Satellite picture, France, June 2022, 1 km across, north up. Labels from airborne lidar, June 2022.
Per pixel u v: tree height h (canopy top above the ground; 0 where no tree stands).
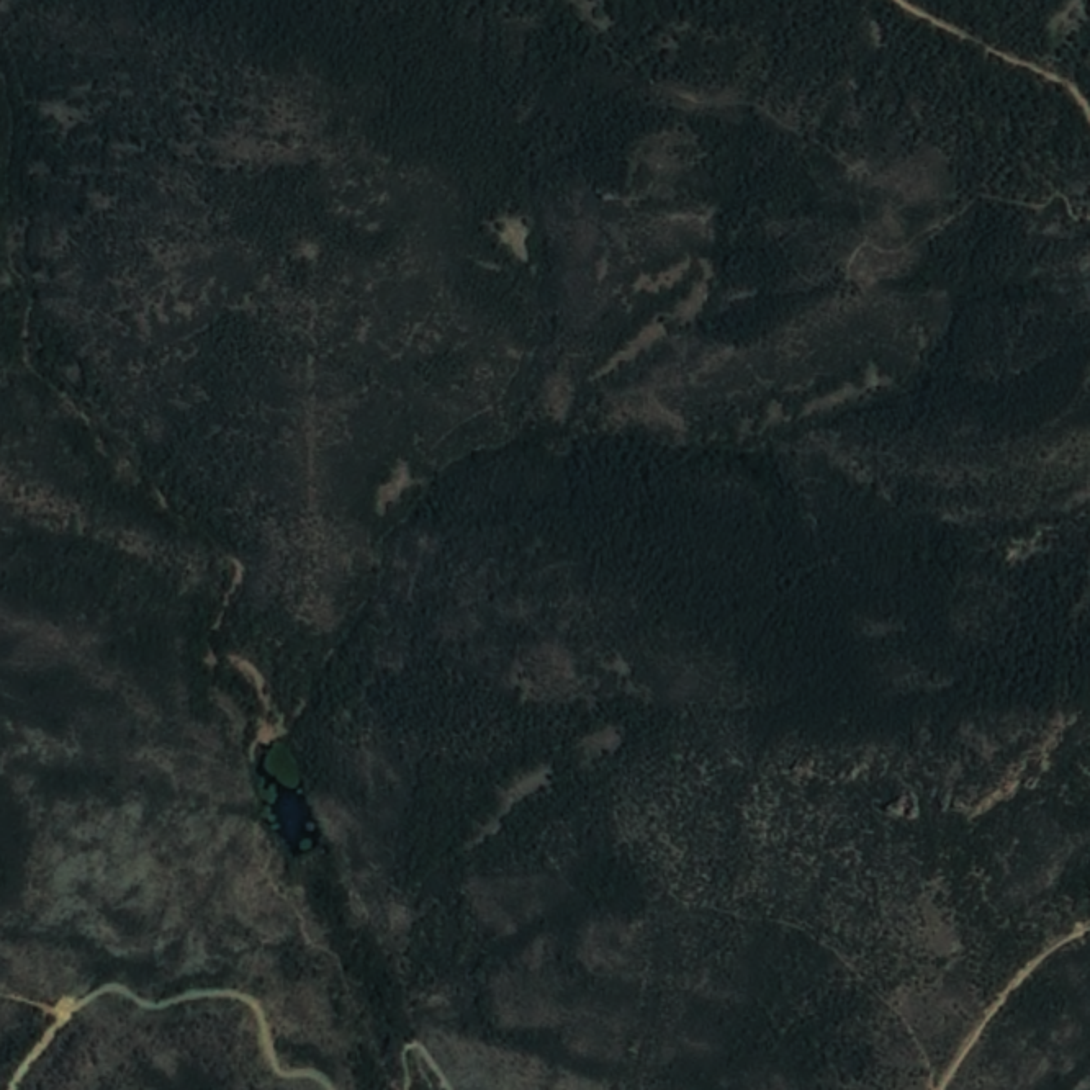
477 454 11
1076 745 6
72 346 6
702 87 10
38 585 9
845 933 7
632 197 8
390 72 13
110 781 11
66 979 0
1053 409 15
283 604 5
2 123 6
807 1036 7
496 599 7
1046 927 7
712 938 10
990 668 12
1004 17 7
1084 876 7
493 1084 0
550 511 15
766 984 6
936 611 12
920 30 11
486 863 7
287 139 6
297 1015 0
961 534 11
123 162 6
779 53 12
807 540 12
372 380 9
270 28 7
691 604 11
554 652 0
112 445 12
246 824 0
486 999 7
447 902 8
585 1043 0
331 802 0
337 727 9
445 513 8
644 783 6
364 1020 7
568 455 7
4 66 5
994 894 7
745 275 13
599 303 0
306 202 9
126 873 0
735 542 14
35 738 0
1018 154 15
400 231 9
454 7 15
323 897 12
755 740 8
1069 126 9
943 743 9
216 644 6
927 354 10
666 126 14
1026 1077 0
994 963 8
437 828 9
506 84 14
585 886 6
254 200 9
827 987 8
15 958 0
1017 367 9
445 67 12
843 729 7
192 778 0
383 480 8
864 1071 10
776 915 6
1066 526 7
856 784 7
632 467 15
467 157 14
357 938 7
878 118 8
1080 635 12
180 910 0
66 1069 11
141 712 0
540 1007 0
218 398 7
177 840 0
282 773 0
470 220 8
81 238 6
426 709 7
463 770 8
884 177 0
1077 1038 0
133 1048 10
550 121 12
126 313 6
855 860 7
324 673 9
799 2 8
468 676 7
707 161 10
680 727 7
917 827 6
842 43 11
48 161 7
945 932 0
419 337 6
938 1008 0
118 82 6
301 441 0
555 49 14
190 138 6
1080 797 12
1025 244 12
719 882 12
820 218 12
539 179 10
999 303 6
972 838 11
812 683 13
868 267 0
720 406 12
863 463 6
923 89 12
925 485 7
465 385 10
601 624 7
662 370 0
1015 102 16
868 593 10
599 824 7
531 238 7
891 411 13
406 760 8
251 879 0
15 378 8
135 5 6
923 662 7
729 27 14
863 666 11
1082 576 13
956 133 13
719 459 14
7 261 6
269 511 7
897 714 10
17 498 6
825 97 12
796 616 16
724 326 11
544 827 7
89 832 0
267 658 7
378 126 11
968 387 14
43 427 7
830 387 8
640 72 14
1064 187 7
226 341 11
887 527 11
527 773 9
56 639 0
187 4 10
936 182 0
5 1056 7
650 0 12
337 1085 0
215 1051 12
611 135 15
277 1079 0
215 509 10
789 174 13
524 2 16
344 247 9
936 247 12
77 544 8
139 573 10
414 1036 11
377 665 7
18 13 8
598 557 10
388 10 22
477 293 9
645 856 6
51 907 0
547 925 8
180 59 12
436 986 10
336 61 14
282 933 0
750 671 9
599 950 0
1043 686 15
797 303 10
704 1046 0
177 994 6
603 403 8
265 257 7
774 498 6
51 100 6
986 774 7
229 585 9
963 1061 0
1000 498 7
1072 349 12
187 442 7
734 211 12
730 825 7
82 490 9
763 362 0
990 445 9
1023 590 12
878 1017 6
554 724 12
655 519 11
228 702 0
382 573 24
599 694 9
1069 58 15
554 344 6
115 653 7
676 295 10
